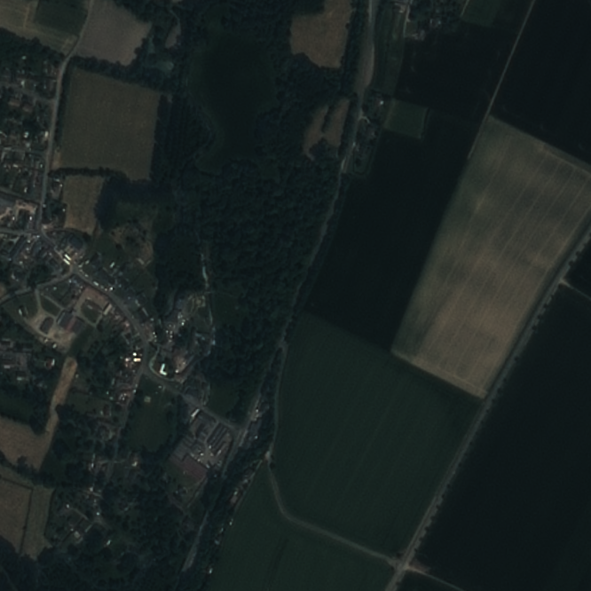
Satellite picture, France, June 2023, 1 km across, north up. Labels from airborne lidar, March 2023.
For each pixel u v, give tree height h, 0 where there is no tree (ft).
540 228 0
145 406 0
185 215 57
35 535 0
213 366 74
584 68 0
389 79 0
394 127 0
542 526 0
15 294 80
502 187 0
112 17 0
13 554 126
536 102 0
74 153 0
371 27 0
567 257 0
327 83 68
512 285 0
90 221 0
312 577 0
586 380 0
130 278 0
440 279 0
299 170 72
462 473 0
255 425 0
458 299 0
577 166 0
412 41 0
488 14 0
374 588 0
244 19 55
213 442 0
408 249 0
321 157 86
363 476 0
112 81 0
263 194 80
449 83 0
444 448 0
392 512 0
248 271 44
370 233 0
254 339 73
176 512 67
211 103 0
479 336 0
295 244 88
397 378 0
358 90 0
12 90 39
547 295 0
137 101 0
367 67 0
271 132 70
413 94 0
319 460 0
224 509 44
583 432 0
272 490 0
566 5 0
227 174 67
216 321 0
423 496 0
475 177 0
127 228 0
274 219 67
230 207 54
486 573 0
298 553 0
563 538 0
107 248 0
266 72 0
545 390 0
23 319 0
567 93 0
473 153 0
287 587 0
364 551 0
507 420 0
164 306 61
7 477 0
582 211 0
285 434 0
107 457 46
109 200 123
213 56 0
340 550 0
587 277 0
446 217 0
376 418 0
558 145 0
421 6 50
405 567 0
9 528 0
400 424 0
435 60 0
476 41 0
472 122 0
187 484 0
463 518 0
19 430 0
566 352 0
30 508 0
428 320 0
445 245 0
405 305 0
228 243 71
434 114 0
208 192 59
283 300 58
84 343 0
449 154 0
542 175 0
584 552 0
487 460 0
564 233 0
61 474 0
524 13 0
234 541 0
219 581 0
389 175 0
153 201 0
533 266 0
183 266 0
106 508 66
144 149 0
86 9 0
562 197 0
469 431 0
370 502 0
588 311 0
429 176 0
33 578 115
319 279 0
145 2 54
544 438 0
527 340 0
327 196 66
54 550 28
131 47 0
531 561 0
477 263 0
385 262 0
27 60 21
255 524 0
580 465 0
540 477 0
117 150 0
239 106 0
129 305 0
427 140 0
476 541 0
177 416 18
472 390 0
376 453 0
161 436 0
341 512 0
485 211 0
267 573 0
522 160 0
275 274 24
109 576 0
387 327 0
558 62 0
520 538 0
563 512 0
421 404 0
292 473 0
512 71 0
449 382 0
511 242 0
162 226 0
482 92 0
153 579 48
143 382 0
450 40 0
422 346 0
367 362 0
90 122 0
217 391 0
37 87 19
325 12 0
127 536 0
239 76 0
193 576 45
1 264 25
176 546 61
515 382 0
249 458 29
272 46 31
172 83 53
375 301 0
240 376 76
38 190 0
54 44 0
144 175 0
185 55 55
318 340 0
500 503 0
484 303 0
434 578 0
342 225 0
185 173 66
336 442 0
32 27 0
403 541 0
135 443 0
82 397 0
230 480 47
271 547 0
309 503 0
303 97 77
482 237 0
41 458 0
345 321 0
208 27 0
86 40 0
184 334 53
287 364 0
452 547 0
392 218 0
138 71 65
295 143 69
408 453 0
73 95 0
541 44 0
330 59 0
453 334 0
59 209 35
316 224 78
